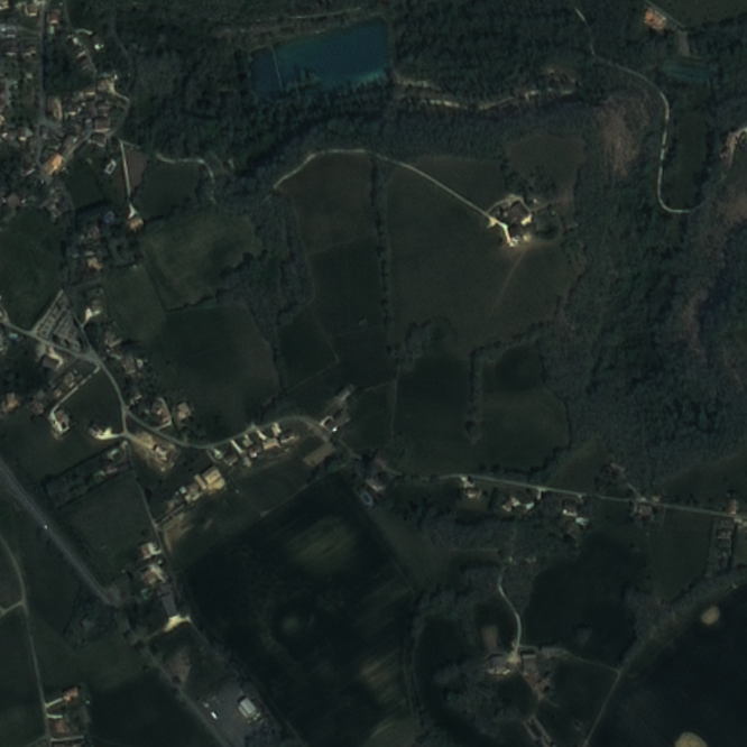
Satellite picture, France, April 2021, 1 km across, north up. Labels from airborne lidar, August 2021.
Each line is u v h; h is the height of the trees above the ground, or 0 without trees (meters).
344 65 0
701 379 22
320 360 0
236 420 0
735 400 19
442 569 0
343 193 0
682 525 0
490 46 15
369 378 0
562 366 14
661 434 22
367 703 0
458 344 0
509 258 0
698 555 0
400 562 0
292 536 0
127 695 0
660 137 8
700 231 11
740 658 0
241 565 0
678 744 0
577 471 0
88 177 0
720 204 11
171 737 0
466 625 17
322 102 16
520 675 0
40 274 0
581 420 16
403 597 0
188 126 25
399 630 0
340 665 0
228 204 21
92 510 0
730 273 18
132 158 0
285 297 8
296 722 0
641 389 19
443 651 0
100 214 8
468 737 0
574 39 25
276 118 14
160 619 0
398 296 0
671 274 15
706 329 16
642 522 12
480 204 0
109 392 0
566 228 10
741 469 0
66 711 8
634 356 10
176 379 0
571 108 13
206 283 0
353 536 0
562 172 0
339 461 13
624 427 22
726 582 14
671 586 0
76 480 14
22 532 0
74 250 15
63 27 6
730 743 0
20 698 0
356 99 12
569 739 0
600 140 9
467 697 17
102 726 0
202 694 0
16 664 0
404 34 22
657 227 19
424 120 17
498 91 14
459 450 0
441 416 0
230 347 0
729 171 11
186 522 0
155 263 0
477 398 12
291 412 15
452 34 18
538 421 0
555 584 0
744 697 0
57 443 0
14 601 0
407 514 9
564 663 0
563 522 17
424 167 0
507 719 12
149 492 7
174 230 0
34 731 0
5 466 0
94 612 22
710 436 19
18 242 0
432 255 0
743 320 21
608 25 24
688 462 15
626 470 14
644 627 17
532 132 10
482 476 11
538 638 0
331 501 0
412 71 16
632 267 13
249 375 0
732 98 20
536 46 15
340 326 0
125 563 0
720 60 30
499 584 17
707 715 0
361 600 0
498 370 0
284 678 0
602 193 22
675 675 0
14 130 0
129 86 15
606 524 6
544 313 0
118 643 0
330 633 0
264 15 24
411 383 0
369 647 0
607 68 14
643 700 0
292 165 21
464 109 9
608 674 0
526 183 6
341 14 11
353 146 17
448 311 0
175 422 6
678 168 14
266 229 16
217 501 0
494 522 14
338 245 0
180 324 0
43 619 0
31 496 0
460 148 19
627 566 0
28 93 10
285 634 0
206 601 0
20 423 0
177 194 0
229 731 0
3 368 15
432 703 0
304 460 0
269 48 0
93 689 0
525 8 20
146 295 0
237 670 16
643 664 0
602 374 19
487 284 0
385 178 13
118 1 21
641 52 29
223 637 0
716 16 7
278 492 0
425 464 0
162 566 10
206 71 11
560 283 0
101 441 0
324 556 0
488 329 0
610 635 0
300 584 0
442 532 18
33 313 0
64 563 6
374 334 0
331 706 0
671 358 14
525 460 0
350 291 0
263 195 16
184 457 0
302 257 16
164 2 11
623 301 6
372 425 0
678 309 18
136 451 0
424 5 14
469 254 0
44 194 8
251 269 19
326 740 0
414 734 0
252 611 0
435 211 0
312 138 22
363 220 0
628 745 0
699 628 0
